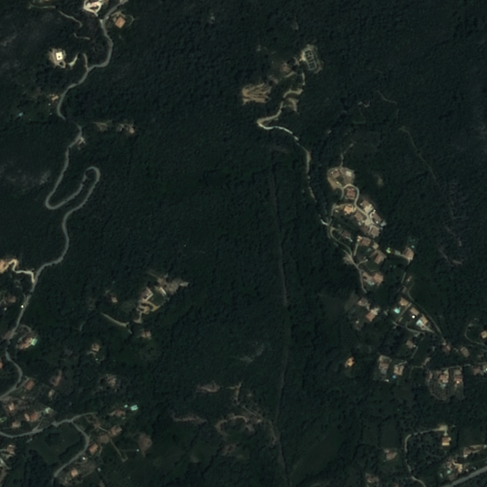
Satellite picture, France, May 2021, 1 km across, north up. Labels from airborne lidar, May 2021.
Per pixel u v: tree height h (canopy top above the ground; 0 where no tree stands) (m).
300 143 22
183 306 7
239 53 23
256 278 13
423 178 14
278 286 13
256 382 10
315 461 0
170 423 17
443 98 7
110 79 8
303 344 13
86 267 10
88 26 7
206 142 7
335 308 0
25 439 10
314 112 13
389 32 10
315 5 16
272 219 15
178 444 5
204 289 8
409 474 10
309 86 9
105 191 10
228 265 8
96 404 13
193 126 8
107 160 11
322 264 8
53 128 7
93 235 13
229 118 14
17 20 6
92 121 17
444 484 12
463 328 9
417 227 9
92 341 10
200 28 30
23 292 10
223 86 15
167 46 15
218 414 7
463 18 8
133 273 21
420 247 6
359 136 0
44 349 11
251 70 6
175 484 19
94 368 14
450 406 12
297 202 17
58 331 15
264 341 10
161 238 12
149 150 10
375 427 0
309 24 7
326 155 15
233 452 0
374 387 12
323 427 9
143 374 6
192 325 18
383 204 10
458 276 6
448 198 9
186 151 11
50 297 14
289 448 15
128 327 11
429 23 8
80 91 18
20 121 12
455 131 7
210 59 17
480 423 10
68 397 9
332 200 11
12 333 0
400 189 6
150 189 8
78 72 9
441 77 9
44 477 21
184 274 12
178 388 6
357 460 11
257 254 17
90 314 13
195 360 12
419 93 11
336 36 14
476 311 13
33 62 8
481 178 12
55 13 8
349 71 21
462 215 11
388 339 10
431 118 7
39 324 12
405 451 8
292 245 17
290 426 16
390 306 12
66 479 0
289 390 13
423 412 12
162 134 7
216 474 12
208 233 7
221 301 13
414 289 0
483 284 13
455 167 11
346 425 8
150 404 16
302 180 16
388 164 6
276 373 12
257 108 13
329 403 12
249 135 15
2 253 5
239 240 15
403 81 8
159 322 10
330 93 8
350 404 19
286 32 8
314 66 0
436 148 8
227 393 7
